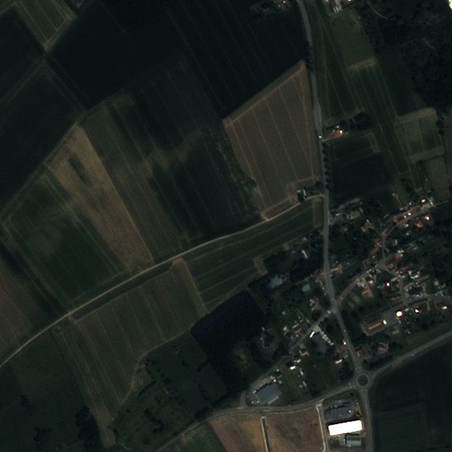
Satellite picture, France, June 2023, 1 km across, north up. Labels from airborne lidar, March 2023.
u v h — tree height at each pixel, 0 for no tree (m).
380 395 0
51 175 0
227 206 0
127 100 0
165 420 0
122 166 0
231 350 0
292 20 0
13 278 0
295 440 0
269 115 0
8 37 0
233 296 0
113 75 0
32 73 0
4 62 0
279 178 0
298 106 0
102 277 0
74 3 0
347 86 0
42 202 0
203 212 0
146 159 0
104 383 0
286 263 0
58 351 0
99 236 0
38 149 0
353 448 0
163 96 0
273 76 0
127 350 0
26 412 0
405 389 0
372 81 0
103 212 0
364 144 0
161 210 0
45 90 0
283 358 0
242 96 0
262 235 0
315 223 0
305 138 0
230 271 0
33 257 0
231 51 0
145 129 0
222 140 0
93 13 0
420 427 0
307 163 0
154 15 0
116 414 0
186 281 0
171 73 0
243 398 0
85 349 0
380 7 0
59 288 0
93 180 0
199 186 0
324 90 0
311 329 0
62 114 0
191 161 0
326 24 0
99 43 0
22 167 0
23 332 0
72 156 0
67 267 0
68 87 0
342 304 0
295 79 0
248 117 0
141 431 0
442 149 0
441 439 0
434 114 0
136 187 0
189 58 0
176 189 0
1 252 0
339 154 0
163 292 0
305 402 0
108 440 0
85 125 0
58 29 0
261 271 0
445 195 0
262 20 7
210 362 15
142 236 0
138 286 0
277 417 0
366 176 0
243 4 0
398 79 0
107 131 0
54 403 0
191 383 0
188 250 0
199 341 31
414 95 0
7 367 0
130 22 26
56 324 0
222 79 0
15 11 0
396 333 0
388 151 0
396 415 0
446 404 0
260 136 0
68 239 0
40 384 0
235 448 0
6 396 0
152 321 0
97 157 0
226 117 0
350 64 0
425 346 0
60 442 0
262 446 0
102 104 0
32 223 0
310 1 0
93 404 0
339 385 0
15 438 0
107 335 0
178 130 0
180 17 0
